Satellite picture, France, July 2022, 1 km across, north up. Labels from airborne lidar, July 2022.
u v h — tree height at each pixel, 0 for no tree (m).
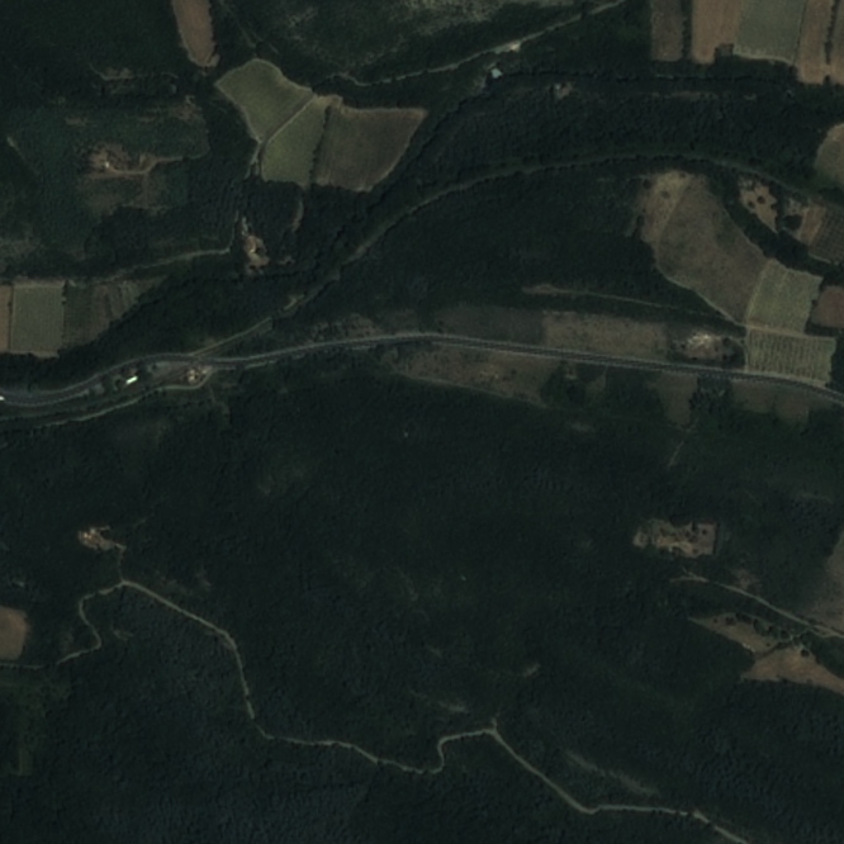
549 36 7
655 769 9
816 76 0
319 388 8
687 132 8
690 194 0
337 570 6
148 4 9
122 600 12
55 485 6
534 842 12
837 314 0
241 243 13
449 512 7
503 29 9
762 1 0
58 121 9
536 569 11
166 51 6
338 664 11
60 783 10
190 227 8
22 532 6
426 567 7
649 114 12
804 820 10
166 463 8
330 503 7
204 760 11
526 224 6
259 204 12
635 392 7
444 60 12
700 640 8
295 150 0
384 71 8
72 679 7
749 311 0
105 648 10
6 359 8
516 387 0
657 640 9
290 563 9
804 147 10
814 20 0
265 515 13
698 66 10
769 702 9
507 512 10
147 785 11
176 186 7
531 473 7
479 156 13
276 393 9
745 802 10
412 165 15
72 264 6
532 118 7
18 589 17
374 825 10
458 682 8
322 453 9
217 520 8
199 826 11
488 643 8
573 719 8
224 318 13
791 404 0
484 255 9
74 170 10
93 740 8
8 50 7
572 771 8
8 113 8
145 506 9
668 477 7
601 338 0
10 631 0
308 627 7
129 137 6
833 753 13
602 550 7
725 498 7
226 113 7
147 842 14
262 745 8
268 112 0
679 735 8
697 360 13
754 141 11
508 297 8
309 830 22
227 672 9
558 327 0
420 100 12
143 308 18
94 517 9
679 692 10
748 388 0
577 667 7
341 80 10
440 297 8
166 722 10
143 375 16
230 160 9
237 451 11
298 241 9
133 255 8
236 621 7
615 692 8
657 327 0
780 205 9
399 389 8
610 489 6
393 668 7
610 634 12
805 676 0
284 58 7
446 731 6
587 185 8
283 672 11
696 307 6
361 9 9
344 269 12
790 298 0
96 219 7
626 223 6
